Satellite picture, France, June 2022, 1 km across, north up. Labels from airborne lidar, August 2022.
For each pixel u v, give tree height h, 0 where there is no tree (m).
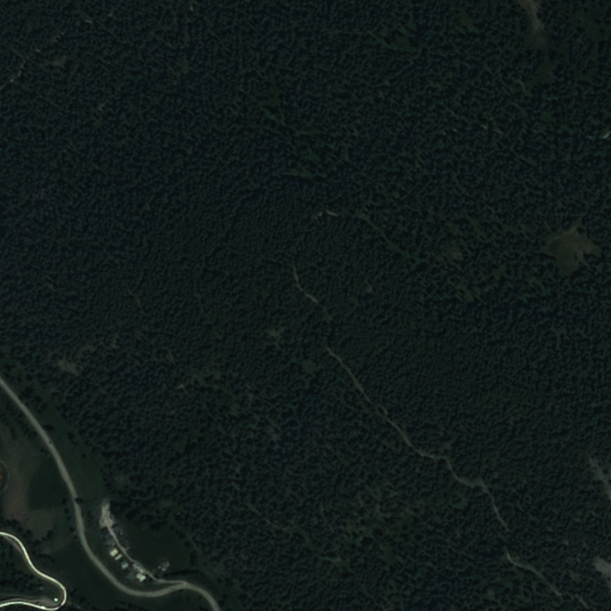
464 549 18
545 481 12
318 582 16
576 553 10
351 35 18
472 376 21
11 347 20
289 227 27
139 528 25
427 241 23
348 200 14
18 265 21
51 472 0
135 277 22
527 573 23
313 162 7
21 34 25
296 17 27
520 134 27
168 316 21
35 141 18
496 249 17
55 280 18
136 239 24
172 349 21
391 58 21
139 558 0
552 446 18
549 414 23
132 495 9
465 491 17
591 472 8
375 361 20
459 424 13
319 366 24
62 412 6
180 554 0
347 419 22
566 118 23
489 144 26
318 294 20
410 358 22
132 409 14
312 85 20
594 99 20
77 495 0
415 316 23
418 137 17
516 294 30
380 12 25
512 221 23
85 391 25
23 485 0
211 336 22
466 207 24
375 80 19
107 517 0
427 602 14
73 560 0
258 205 26
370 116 21
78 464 0
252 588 21
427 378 17
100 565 0
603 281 23
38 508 0
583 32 24
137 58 21
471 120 21
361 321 23
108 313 22
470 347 25
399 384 25
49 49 20
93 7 20
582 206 18
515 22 21
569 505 16
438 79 13
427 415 26
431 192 26
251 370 25
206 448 16
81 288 22
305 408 28
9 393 0
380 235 9
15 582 10
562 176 23
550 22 24
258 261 21
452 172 22
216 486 24
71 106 12
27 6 23
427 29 26
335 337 17
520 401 19
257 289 15
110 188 27
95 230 24
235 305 21
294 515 14
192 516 16
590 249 0
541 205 25
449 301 15
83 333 23
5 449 0
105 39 17
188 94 23
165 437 19
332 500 27
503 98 28
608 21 15
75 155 19
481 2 25
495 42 9
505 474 16
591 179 8
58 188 11
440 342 17
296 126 16
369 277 18
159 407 19
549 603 10
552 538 24
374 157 8
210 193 24
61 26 23
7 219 30
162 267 25
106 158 25
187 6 13
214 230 23
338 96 27
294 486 9
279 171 25
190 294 23
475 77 30
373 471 13
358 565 17
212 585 12
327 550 16
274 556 25
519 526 19
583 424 19
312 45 27
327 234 17
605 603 20
